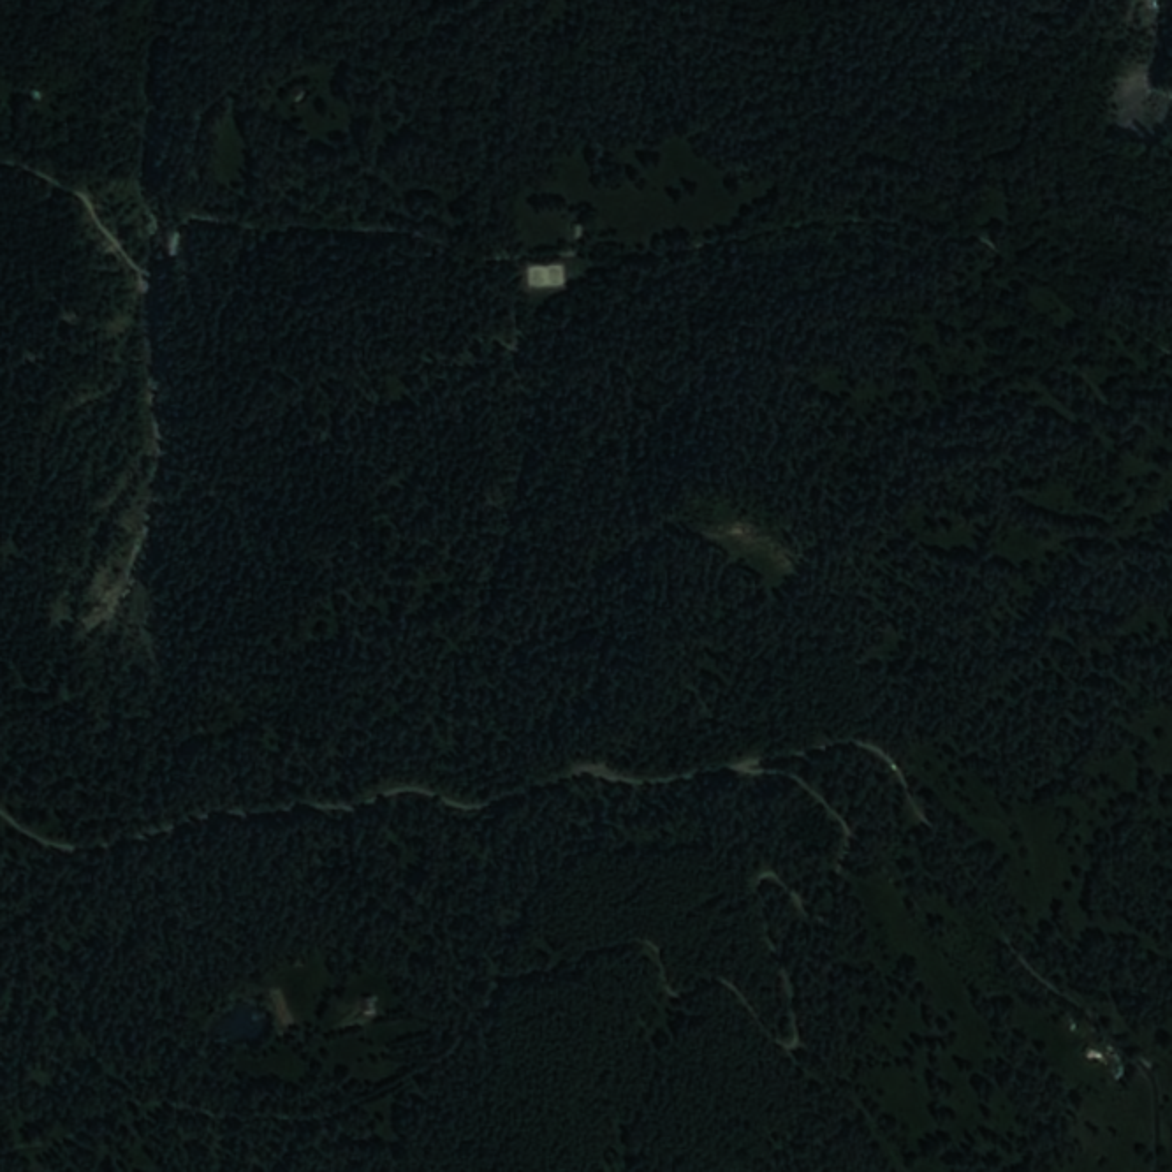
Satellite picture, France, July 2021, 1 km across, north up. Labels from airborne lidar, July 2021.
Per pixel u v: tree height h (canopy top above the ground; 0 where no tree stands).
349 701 14
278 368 11
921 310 12
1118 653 9
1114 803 16
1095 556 31
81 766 24
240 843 28
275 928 30
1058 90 19
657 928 16
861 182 35
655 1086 25
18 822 8
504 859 22
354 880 19
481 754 25
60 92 10
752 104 16
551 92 24
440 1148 24
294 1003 0
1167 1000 26
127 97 29
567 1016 19
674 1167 25
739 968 13
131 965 26
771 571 0
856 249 18
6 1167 22
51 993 27
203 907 27
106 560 13
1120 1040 8
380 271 24
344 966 24
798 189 21
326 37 34
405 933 27
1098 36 9
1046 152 27
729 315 20
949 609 20
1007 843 0
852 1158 27
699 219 0
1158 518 9
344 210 16
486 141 24
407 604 27
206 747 22
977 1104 0
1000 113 31
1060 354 15
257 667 11
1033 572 23
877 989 16
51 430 9
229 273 21
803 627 27
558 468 12
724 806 31
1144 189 26
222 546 23
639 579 9
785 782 6
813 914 24
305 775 22
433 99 30
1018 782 19
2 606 24
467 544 25
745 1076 26
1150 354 15
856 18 18
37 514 22
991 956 6
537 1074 19
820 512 26
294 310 25
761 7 20
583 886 18
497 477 23
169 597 17
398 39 25
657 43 28
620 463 24
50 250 21
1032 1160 23
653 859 18
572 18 14
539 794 22
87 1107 27
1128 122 0
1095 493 24
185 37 28
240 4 20
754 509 6
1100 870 24
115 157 20
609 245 9
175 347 18
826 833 11
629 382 35
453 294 22
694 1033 22
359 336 25
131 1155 17
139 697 10
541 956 20
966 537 0
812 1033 21
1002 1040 21
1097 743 24
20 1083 20
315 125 0
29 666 26
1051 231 11
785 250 8
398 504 16
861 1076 10
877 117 23
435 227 30
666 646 28
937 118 28
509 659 25
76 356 20
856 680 22
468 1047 14
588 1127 23
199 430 14
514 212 12
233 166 0
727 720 18
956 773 10
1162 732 17
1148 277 18
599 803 12
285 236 14
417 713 26
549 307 11
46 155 23
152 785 10
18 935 34
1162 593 32
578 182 0
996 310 14
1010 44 12
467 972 10
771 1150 18
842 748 12
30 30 22
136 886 29
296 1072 0
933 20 26
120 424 15
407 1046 10
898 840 7
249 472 24
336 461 13
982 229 8
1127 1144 0
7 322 13
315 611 8
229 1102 18
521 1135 25
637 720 25
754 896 15
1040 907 0
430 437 25
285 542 15
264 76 24
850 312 28
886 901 0
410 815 24
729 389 30
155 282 8
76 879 8
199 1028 10
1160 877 17
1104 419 27
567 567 18
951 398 17
